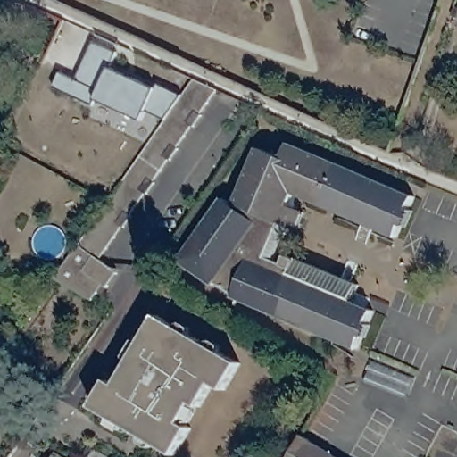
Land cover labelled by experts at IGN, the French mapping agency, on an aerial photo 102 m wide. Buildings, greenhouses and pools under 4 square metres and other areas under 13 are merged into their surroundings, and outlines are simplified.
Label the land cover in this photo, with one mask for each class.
<instances>
[{"label":"herbaceous vegetation","instance_id":"1","mask_svg":"<svg viewBox=\"0 0 457 457\"><path fill-rule=\"evenodd\" d=\"M9 11L11 14L29 12L30 18L41 16L54 34L61 23V14L48 11L39 4H30L29 0H0V14ZM68 5L71 9L84 12L95 20L104 21L107 25L123 30L130 36L139 37L150 45L159 46L170 54L179 55L204 70L212 71L220 77L261 93L255 82L239 77L241 71L252 66L259 70V75H266L270 71L277 73L282 79H286V84H298L302 91L321 89L323 98L350 100L353 104L364 105L371 111L384 104L387 107H396L400 114L395 125H402V134L391 139L384 150L389 154H402L405 161L421 166L425 162V154H421L420 148L411 145L409 136L412 134L423 132L425 136H434L436 127L441 125L448 129V134L453 139L452 148L457 150V116L445 114L434 100L428 102L425 118L416 114L421 89L425 86V73L432 68V59L436 57L441 27L452 30L448 50L452 54H457V0H437L436 11L432 14L421 50L418 48L416 52H403L402 48L396 46L389 48L391 55L368 54L366 46L343 41L341 34L352 30L355 32L361 30L359 16L364 14L362 0H300L305 25L311 36L312 50L316 54L318 70L312 73L311 77H300L298 73H293L291 68L278 62L245 54L236 46L200 36L191 30L180 29L166 21L155 20L104 0H55ZM137 4L168 12L184 20L195 21L198 25L245 39L253 45L277 50L296 59H305V52L289 0H132ZM111 70L123 77L137 80L145 86L164 87L175 95H179L180 91L179 84L184 77L177 71L166 70L139 55L134 57L132 64H123L114 59ZM52 66L43 61L30 80L29 95L12 111L16 120V136L20 139L25 152L18 155L16 166L12 168L7 184L0 191V252L5 255L9 253V257L14 259L11 262L12 266L20 271L21 275L36 270L41 264L59 266L70 253L64 252L61 257H52L50 253H34L32 237L41 225L62 228L66 236L70 232V221L86 209L93 196H112L120 187L123 175H127V170H130V164H134L137 155L141 154L145 146L143 141L130 136L127 132L114 129L109 121L91 118L89 111L82 98L57 89L54 80H48ZM273 100L318 120L320 116L316 112L309 111L307 107L289 100L286 96L275 95ZM257 121L261 130L248 137L230 179L212 189L211 195L205 198L204 204L198 207L193 220L189 221L186 227L182 236L177 237L182 245L186 243L187 237L191 236L196 223L204 216L214 198L223 200L232 195L237 177L243 170V164L252 148L262 150L273 157L282 143H289L302 148L305 152L337 162L350 170L359 171L362 175L378 180L382 184L395 187L405 195L412 196L414 200L421 202V196L428 195L425 187L416 184L409 187L407 182L366 166L357 159H350L345 155L330 152L327 148L307 143L302 137L295 136L287 130H275L259 111ZM287 257L293 261L311 264L314 268H320L339 277L341 271L346 268L345 264L311 250L305 257H296L293 252ZM357 280L361 282L362 289L368 302L371 293L386 300H393L396 293L393 287L387 282V278H373V270H364L362 264H359L357 270L352 273ZM182 280H186V284L200 291L209 302L221 303V307H227L234 314H243L246 318L259 323L261 327L268 328L291 350L320 362L325 370L336 375L334 386L328 391L327 400H323L309 414V432H314L320 425L325 407L334 395L339 380L359 377L366 359L357 350L332 343L334 355L325 361L320 353L307 346L309 337H320L318 334H312L311 330L289 325L287 321H282L278 325L261 312L252 311L245 305H234L218 289H207L202 282H198L184 271L180 273ZM425 303H436L441 309L439 318L445 321L448 320L453 305L457 303V275L452 273L446 278L445 284L428 286L427 296L423 300ZM86 300L75 291H68L62 296L57 298L54 307L50 303H45L39 309V316L29 321L27 332H16L11 341L0 334V348L9 352L11 364L14 366L27 364V377L41 384L43 389L62 378L70 368L71 362L75 361L77 352L86 346L87 341L93 336V330L102 323L96 321V311L84 307L82 302ZM62 314H77V327L75 334L70 336L71 343L68 348L57 350L54 346L52 323L54 316L57 318ZM148 314L168 325L182 323L186 328L184 334L198 343L202 339H209L216 345V353H220L230 362H237L239 368L227 389L209 393L202 407L196 409L195 416L187 421L184 428H189V434L186 441L177 448V452L173 455H162L145 448L146 457H257L248 455V443H252L255 437V427L246 425L243 416L253 409L252 395L255 398H262L264 395H270L268 391L275 380L268 378L270 370L253 361L252 352L245 350L243 346L237 343L230 345L227 336L221 330L207 325L204 320L196 318L195 314L182 311L168 298L159 296L154 305H148Z\"/></svg>","mask_w":457,"mask_h":457},{"label":"impervious surface","instance_id":"2","mask_svg":"<svg viewBox=\"0 0 457 457\"><path fill-rule=\"evenodd\" d=\"M30 4H39L48 11L61 14V23L54 34L43 61L52 66L48 80H54L55 75L75 79L91 45L109 50L114 59L123 64H132L134 57L139 55L166 70L177 71L184 77L179 84L180 91L189 86L191 80H196L198 84H207L212 91H216V98L205 109L204 118L196 125V129L191 130L184 143L180 145L177 157L159 175L150 196L129 205V227L121 230L107 253L102 255V262L118 271V277L114 278L111 287L100 293L104 295L109 307H112V311L102 323L93 330V336L87 341L86 346L77 352L75 361L71 362L70 368L62 378L68 380L64 387L66 403L59 402L57 407L55 421H61L62 430L54 437L59 439L62 445H71L73 441H77L79 445L87 448L95 446L102 439H111L114 443L118 437L116 430L105 428L95 411L89 407H82V402L96 380H107L111 377L112 371L120 361L118 355L121 346L134 337L141 321L148 314V305H154L159 296L148 291H139L137 287L132 286V278H136V273L130 268V264L137 262L143 253L161 255L168 250L177 253L182 245L177 237L182 236L186 227L182 225V220L189 216V209L180 205V200L191 195V189H198V186L207 179V175L220 159L223 148H227L230 139L234 137L232 134H221L218 129L221 123L227 121L230 112L236 111L237 102L241 98L250 100V104L264 105L266 109L277 112L287 120L302 123L307 129L332 136L339 143L352 146L359 154L368 155L371 159L418 175L427 182L457 193V182L445 175L425 170L421 166L405 161L402 154H389L384 150L377 146L364 145L359 139L343 137L336 129L318 120L273 100L261 93L220 77L212 71L204 70L179 55L170 54L159 46L150 45L139 37L130 36L123 30L107 25L104 21L95 20L84 12L71 9L68 5L55 0H29ZM155 20L166 21L180 29L191 30L200 36L236 46L245 54L278 62L291 68L293 73H298L300 77H311L312 73L318 70L316 54L312 50L311 36L305 25L300 0H289L305 52V59H296L277 50L253 45L245 39L198 25L195 21L184 20L168 12L137 4L132 0H104ZM364 14L359 16L361 30L355 32V36L362 39L370 36L375 41H384L389 48L396 46L402 48L403 52H416L418 48L421 50L432 14L436 11L437 0H362ZM91 118L109 121L114 129L127 132L130 136L143 141L155 125V118L152 116L145 114L143 121L130 120L129 116L123 114L102 111L98 105L89 111ZM423 207L412 221L411 234L405 241L398 237H391L389 246L370 243L371 230L345 220L343 216H332L330 212L320 214L312 209L298 212L293 225L302 228L305 248L311 250L345 264L346 268L341 271L339 277L352 284L357 280L352 273L357 270L359 264H362L364 270H373V278H387V282L393 287L396 293L393 300H386L371 293L368 302L362 289L353 291L350 300L361 305L364 311H371L373 314L384 316V327L380 330L375 352L411 366L418 370V375L405 373L375 359H366L359 377L339 380L334 395L325 407L320 425L314 432H309L303 437L321 450L332 453V457H457V303L453 305L448 320L445 321L439 318L441 309L436 303H425L423 307L412 305L409 298L412 295L407 291L405 271L416 273L427 270L428 266H443L448 273H452L457 275V205H453L445 198L428 195L421 196V202Z\"/></svg>","mask_w":457,"mask_h":457},{"label":"building","instance_id":"3","mask_svg":"<svg viewBox=\"0 0 457 457\"><path fill-rule=\"evenodd\" d=\"M114 59L109 50L91 45L75 79L55 75L54 80L57 89L82 98L89 111L98 105L102 111L123 114L129 116L130 120L143 121L145 114L152 116L155 118V125L143 141L145 146L141 154L137 155L134 164H130V170H127V175H123L120 187L112 196L109 205L104 207L102 221L93 230L80 236L75 252L70 253L59 266L57 273L52 277L55 278V282H59L62 296L68 291H75L86 300H93L100 293L111 287L114 278L118 277V271L102 262V255L107 253L121 230L129 227V205L150 196L159 175L177 157L180 145L184 143L191 130L196 129V125L204 118L205 109L216 98V91H212L207 84H198L196 80H191L189 86L180 91L179 95H175L164 87L145 86L137 80L123 77L111 70ZM414 200L412 196L405 195L395 187L382 184L378 180L362 175L359 171L350 170L337 162L305 152L302 148L289 143H282L273 157L262 150L252 148L243 164V170L237 177L232 195L223 200L214 198L204 216L196 223L191 236L187 237L186 243L182 245L177 253L184 271L198 282H202L207 289H218L234 305H245L252 311L261 312L278 325L282 321H287L289 325L311 330L312 334H318L320 337L332 343L357 350L362 339H366L370 332L373 314L371 311H364L361 305L350 300L353 291L362 289L361 282L357 280L352 284L339 277L320 268H314L311 264L293 261L287 257H280L275 248L278 239L286 236L287 230L293 225L298 212L312 209L320 214L330 212L332 216H343L345 220L371 230L377 225H382L391 232V237H398L400 230L409 225ZM186 328L182 323L168 325L148 314L141 321L134 337L121 346L118 355L120 361L112 371L111 377L107 380H96L82 402V407H89L95 411L105 428L116 430L118 437L121 441L132 439L134 445L145 448L162 455H173L177 452V448L186 441L189 434V428H184L187 421L195 416L196 409L202 407L209 393L227 389L239 368L237 362H230L220 353H216V345L209 339H202L198 343L184 334ZM284 457H332V453L321 450L303 437H295Z\"/></svg>","mask_w":457,"mask_h":457},{"label":"deciduous trees","instance_id":"4","mask_svg":"<svg viewBox=\"0 0 457 457\"><path fill-rule=\"evenodd\" d=\"M54 34L41 16L30 18L29 12L11 14L9 11L0 14V191L7 184L12 168L16 166L18 155L25 152L20 139L16 136V120L12 111L29 95L30 80L43 61ZM343 41L366 46L368 54L391 55L389 48L384 41H375L370 36L362 39L355 36V32L352 30L341 34ZM425 86L434 89V100L445 114L457 116V54H452L436 57L432 59V68L425 73ZM239 77L255 82L261 93L273 100L275 95L286 96L289 100L307 107L309 111L316 112L320 116L318 120L336 129L343 137L359 139L364 145L377 146L384 150L391 139L402 134V125H395L400 114L396 107H387L384 104L371 111L364 105L353 104L350 100L323 98L321 89L302 91L298 84H286V79H282L277 73L270 71L266 75H259V70L252 66L241 71ZM411 145L420 148L421 154H425V162L421 166L425 170L445 175L457 182V150L452 148L453 139L448 134V129L441 125L436 127L434 136H425L423 132L412 134L409 136ZM112 196H93L86 209L70 221V232L66 236L64 252L70 253L75 252L80 236L93 230L102 221L104 207L109 205ZM280 257H287L293 252L296 257H305L311 250L305 248L302 228L293 225L287 230L286 236L278 239L275 248ZM130 268L136 273V278H132V286L137 287L139 291H148L159 296L168 298L182 311L195 314L196 318L204 320L207 325L221 330L227 336L230 345L237 343L243 346L245 350L252 352L253 361L270 370L268 378L275 380L268 391L270 395H264L262 398H255L252 395L253 409L243 416L246 425L255 427V437L252 443H248V455L257 457H284L295 437H303L309 432V414L323 400H327L328 391L334 386L336 375L325 370L320 362L291 350L268 328L261 327L259 323L246 318L243 314H234L227 307H221V303L209 302L200 291L186 284V280H182L180 273L184 271L177 253L168 250L161 255L143 253L137 262L130 264ZM14 259L9 257V253L5 255L0 252V334L11 341L16 332H27L29 321L39 316V309L45 303H50L54 307L57 298L62 296L59 282H55V278L52 277L57 273L59 266L41 264L36 270L21 275L20 271L12 266L11 262ZM452 273H448L443 266H428L427 270L416 273L405 271L407 291L412 295L409 298L412 305L423 307L425 303L423 300L427 296L428 286L445 284L446 278ZM84 307L96 311V321L102 323L112 311V307H109L104 295L100 293L93 300H86L82 302ZM77 314H62L57 318L54 316L52 323L54 346L57 350L68 348L71 343L70 336L75 334L77 327ZM307 346L320 353L325 361L334 355L332 343L320 337H309ZM20 443V434H5L4 428L0 425V457H7V453ZM50 457H146L145 448L134 445L132 439L121 441L118 437L114 443L111 439H102L95 446L87 448L79 445L77 441H73L71 445H62L59 439L54 437L50 439Z\"/></svg>","mask_w":457,"mask_h":457},{"label":"brushwood","instance_id":"5","mask_svg":"<svg viewBox=\"0 0 457 457\"><path fill-rule=\"evenodd\" d=\"M452 30L441 27L436 57L452 54L448 50ZM434 100V89L425 86L421 89L416 114L425 118L428 102ZM259 111L275 130H287L295 136L302 137L307 143L327 148L330 152L345 155L350 159H357L366 166L407 182L409 187L416 184L425 187L428 195L445 198L453 205H457V193L427 182L418 175L371 159L368 155L359 154L352 146L339 143L332 136L307 129L302 123L287 120L277 112L266 109L264 105L250 104V100L241 98L237 102L236 111L230 112L227 121L221 123L218 129L221 134H232L234 137L230 139L227 148H223L220 159L207 175V179L198 186V189H191V195L180 200V205L189 209V216L182 220V225L186 227L189 221L193 220L198 207L204 204L205 198L211 195L212 189L230 179L248 137L261 130L257 121ZM423 207L421 202L414 200L409 225L400 230L398 237L405 241L411 234L412 221ZM370 243L389 246L391 237V232L382 225H377L371 230ZM384 327V316L373 314L370 332L366 339H362L357 350L366 359H375L405 373L418 375V370L411 366L375 352L380 330ZM50 439L32 443L20 437V443L7 453V457H50Z\"/></svg>","mask_w":457,"mask_h":457},{"label":"coniferous trees","instance_id":"6","mask_svg":"<svg viewBox=\"0 0 457 457\"><path fill-rule=\"evenodd\" d=\"M68 380L62 378L43 389L41 384L27 377V364L14 366L11 364L9 352L0 348V425L4 428L5 434H20V437L32 443L50 439L54 437L62 430L61 421H55L57 407L59 402L66 403L64 387Z\"/></svg>","mask_w":457,"mask_h":457},{"label":"swimming pool","instance_id":"7","mask_svg":"<svg viewBox=\"0 0 457 457\"><path fill-rule=\"evenodd\" d=\"M66 236L62 228L41 225L32 237L34 253H50L52 257H61L64 252Z\"/></svg>","mask_w":457,"mask_h":457}]
</instances>
